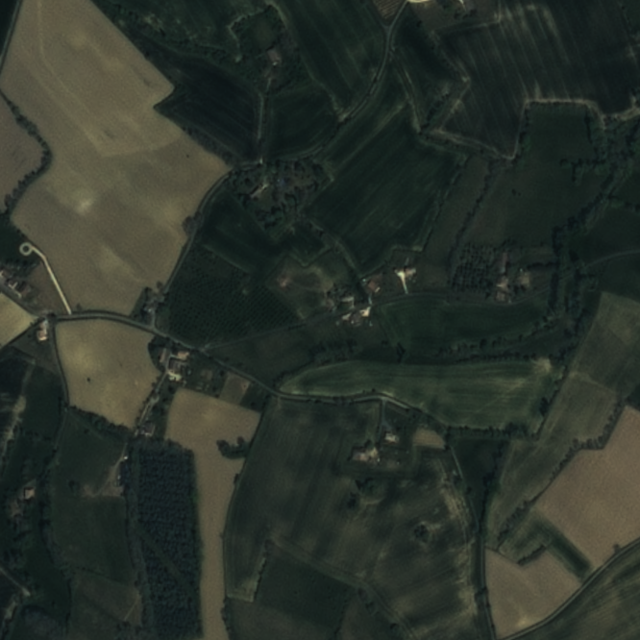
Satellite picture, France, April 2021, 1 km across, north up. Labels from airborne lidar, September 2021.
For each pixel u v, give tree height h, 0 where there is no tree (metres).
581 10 0
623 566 0
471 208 0
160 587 19
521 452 0
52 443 10
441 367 0
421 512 0
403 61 0
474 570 0
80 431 0
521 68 0
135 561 14
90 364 0
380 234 0
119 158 0
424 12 0
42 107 0
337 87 0
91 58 0
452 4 12
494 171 15
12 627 13
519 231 0
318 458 0
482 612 9
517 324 0
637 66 0
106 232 0
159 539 19
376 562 0
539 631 0
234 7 0
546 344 0
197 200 0
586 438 0
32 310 0
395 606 0
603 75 0
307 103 0
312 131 0
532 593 0
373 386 0
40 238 0
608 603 0
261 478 0
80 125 0
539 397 0
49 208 0
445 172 0
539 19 0
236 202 0
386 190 0
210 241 0
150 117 0
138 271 0
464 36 0
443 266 0
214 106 0
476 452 0
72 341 0
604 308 0
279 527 0
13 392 0
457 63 0
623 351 0
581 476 0
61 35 0
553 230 0
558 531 0
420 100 0
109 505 0
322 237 10
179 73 0
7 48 0
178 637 17
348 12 0
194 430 0
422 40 0
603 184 0
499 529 0
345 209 0
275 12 7
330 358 31
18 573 7
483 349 12
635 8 0
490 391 0
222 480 0
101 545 0
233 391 0
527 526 0
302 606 0
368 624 0
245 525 0
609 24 0
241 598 0
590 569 0
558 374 0
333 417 0
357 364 0
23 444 0
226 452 23
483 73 0
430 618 0
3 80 0
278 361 0
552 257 0
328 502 0
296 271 0
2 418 0
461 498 0
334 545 0
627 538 0
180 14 0
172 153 0
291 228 0
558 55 0
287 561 0
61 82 0
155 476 20
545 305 0
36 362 0
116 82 0
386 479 0
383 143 0
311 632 0
